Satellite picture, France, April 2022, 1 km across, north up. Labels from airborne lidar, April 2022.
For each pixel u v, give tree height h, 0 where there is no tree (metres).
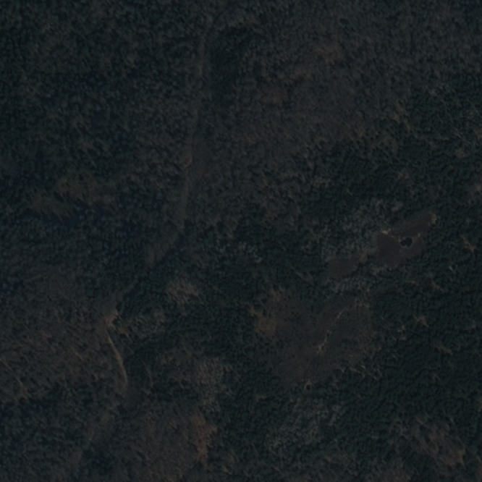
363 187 15
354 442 25
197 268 15
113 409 18
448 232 13
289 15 25
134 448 23
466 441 24
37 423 32
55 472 29
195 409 14
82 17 21
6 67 23
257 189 18
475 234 25
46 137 23
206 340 9
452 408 30
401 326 8
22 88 27
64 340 23
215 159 17
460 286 9
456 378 26
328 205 18
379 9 21
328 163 21
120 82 16
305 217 15
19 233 20
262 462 18
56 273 23
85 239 24
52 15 21
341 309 6
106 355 15
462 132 20
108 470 19
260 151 20
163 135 26
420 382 29
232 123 24
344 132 18
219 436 14
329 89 18
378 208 19
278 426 18
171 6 23
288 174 16
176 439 25
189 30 30
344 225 18
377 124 18
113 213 0
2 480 32
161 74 16
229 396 14
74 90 37
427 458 21
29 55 21
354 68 21
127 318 19
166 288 21
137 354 15
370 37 24
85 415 31
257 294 11
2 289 10
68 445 28
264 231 5
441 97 22
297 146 16
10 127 22
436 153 14
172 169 26
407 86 16
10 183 31
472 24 29
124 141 17
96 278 17
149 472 22
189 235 11
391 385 27
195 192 15
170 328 15
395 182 19
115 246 28
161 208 17
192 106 30
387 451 30
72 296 22
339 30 26
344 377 14
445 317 26
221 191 12
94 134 17
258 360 7
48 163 23
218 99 13
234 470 21
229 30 17
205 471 12
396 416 30
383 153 13
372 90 17
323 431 9
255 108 22
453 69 20
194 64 15
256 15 18
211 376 15
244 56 9
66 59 16
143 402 9
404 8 26
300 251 9
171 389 20
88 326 21
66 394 26
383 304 12
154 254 24
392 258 0
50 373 29
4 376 30
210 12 21
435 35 25
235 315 20
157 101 29
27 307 23
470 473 29
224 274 19
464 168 20
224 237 21
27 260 21
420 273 7
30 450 31
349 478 23
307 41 27
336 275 0
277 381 11
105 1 33
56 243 18
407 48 16
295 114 22
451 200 23
